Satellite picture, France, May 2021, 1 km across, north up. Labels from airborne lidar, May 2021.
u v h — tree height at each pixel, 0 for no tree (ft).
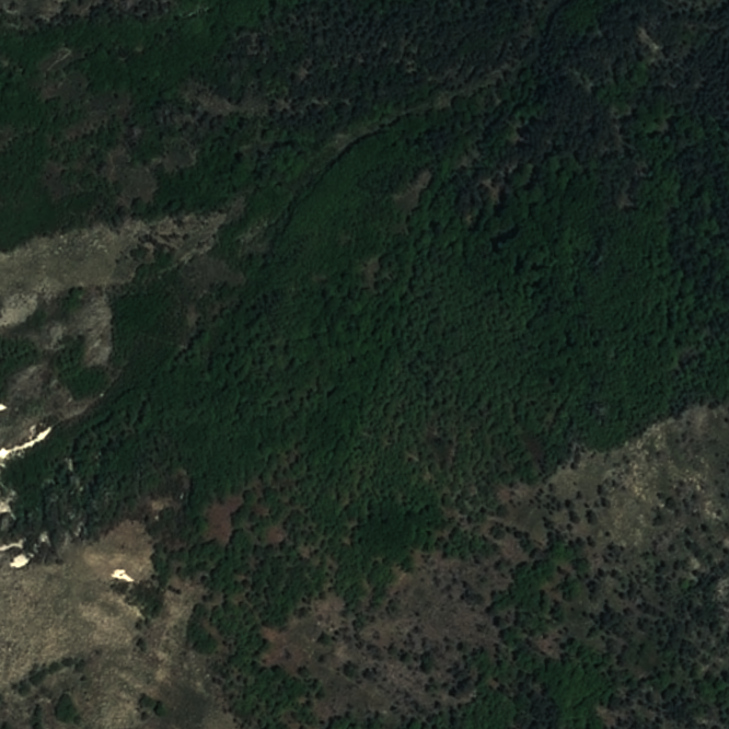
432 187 51
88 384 30
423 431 30
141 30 47
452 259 53
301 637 0
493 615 73
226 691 38
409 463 19
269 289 22
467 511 32
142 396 28
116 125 28
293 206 18
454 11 63
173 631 0
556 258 80
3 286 0
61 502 30
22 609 0
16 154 20
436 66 69
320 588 49
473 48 44
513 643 78
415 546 47
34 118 26
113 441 65
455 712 67
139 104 20
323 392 47
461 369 47
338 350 73
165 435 24
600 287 41
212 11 54
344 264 49
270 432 56
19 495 29
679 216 73
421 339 45
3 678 0
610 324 67
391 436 30
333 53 86
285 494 46
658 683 83
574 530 80
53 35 52
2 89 29
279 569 61
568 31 50
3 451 0
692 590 72
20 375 0
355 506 41
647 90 108
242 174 85
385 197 28
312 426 38
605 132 112
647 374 62
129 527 0
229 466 69
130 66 59
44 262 0
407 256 66
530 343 41
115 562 0
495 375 37
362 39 59
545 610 101
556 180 88
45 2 0
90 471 55
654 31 83
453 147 67
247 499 38
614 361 33
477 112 51
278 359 43
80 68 43
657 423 44
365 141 56
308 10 61
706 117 76
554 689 73
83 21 45
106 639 0
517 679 48
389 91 74
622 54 96
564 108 115
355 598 51
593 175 86
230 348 50
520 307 44
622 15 94
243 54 36
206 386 47
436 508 65
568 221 83
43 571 0
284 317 30
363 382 67
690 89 79
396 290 47
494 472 34
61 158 30
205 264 0
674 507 93
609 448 20
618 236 71
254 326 53
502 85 47
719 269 75
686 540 35
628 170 86
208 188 41
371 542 87
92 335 0
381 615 38
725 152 56
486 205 92
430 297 50
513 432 25
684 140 95
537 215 90
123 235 67
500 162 59
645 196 79
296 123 81
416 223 47
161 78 31
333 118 70
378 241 41
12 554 0
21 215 19
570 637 77
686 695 59
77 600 0
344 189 30
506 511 58
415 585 0
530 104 70
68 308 28
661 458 62
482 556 57
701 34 48
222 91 45
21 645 0
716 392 42
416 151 73
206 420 41
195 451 44
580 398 38
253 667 48
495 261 65
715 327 90
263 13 56
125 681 0
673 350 72
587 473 0
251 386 52
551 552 66
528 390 36
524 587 76
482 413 49
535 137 102
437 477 29
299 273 27
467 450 27
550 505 39
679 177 55
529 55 54
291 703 58
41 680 50
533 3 38
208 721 0
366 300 67
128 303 34
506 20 64
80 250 0
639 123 110
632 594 62
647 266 89
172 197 24
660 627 39
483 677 72
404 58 31
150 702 50
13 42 46
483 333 37
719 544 39
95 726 0
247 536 49
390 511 79
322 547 32
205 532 25
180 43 55
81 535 19
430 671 82
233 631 48
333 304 72
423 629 58
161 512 20
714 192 56
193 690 0
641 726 68
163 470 22
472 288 44
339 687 44
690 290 36
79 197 20
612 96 57
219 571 62
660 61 74
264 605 57
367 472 32
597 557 59
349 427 60
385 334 74
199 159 27
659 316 58
